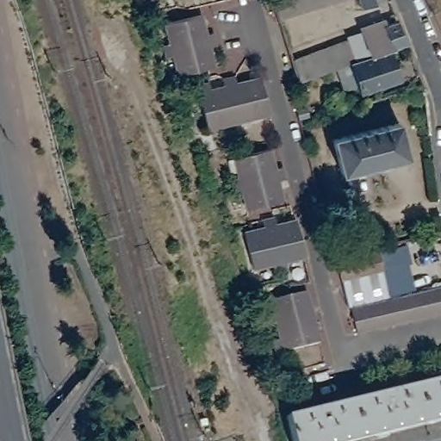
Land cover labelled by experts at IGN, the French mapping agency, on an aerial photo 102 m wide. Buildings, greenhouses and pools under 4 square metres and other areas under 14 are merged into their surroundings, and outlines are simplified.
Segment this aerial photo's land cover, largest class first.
<instances>
[{"label":"impervious surface","instance_id":"1","mask_svg":"<svg viewBox=\"0 0 441 441\"><path fill-rule=\"evenodd\" d=\"M33 138L29 136L26 127L16 57L12 50L9 19L3 9V0H0V217L5 220V226L14 239V248L12 255L7 257V264L12 269L14 279L19 281L16 300L19 301V312L26 317V326L29 327L26 345L28 355L36 367L34 391L38 393V400L47 405L43 441H79L74 434V415L88 394L91 388L107 372H114L115 377L124 386L131 389L134 407L140 413L146 429L153 441H165L164 431L160 425L150 415V408L141 393L140 384L136 382L133 369L129 367L124 355V348L122 345L117 346V332L110 322V307L107 301L103 300L102 286L96 281L84 252L83 236L76 227L69 233L64 219L52 207L50 198L43 195L38 188L33 162L36 150L31 146ZM69 234L78 248V260L102 322L105 336L103 345L98 362L91 372L86 369L78 370L76 357L69 353V348L78 346L83 339L79 336L78 327L67 326L62 320V315L55 314L47 305L48 298L59 295L64 289L67 270L62 265L53 262V258H57L55 250L60 248V243L67 239ZM283 0H239L238 7L226 9V0H207L196 3L191 9H172L169 12V22L186 21L191 17L202 16L203 22L208 26V34L217 31L220 40H226V48H215L217 64L210 67L207 72L208 79H212L210 88L224 86L220 76L236 78L238 81L257 78V81L264 83L267 95L265 98H272L270 102L276 117L270 122L281 136V143L274 150L255 155L229 160V171L233 174L238 176L243 203L229 202L227 208L233 217V227L243 231L260 229L264 227V220L270 222L276 215L277 222H286L291 220V212L298 210L301 224L308 236L314 234L317 227L326 222L329 212L338 208H348L346 189L350 183L343 176L341 167L336 164L315 167L310 162V158L300 145V126L303 121L300 114L293 109V102H289L288 91L293 90V86L300 81L295 72L296 60L345 43L350 36L360 33L363 28L382 21L388 24L400 22L403 34L412 36V40H408L410 57L400 65L401 74L407 79L419 78L424 86L427 133L432 143V162L438 183V198L441 200V26H432V12L427 10L422 0H386V3H381L377 7L363 9L357 0H348L326 9L289 17L283 24L279 16V5ZM410 269L417 279V288L413 289L412 296L431 293L432 289L441 288V236L434 239V250L429 252H422L417 243L410 241L408 245ZM295 270L289 274V279L298 281V286L276 288L274 284H267L265 289L274 291V296H277L300 291H305L310 296L315 314L320 315L317 327L319 331L324 332L319 341V360L307 363L303 367V372L310 374L308 382H314L312 398L300 403L283 401L276 407V408L281 412L283 422L296 410L441 376V369L408 370L407 374L401 376L394 374L372 382L365 381V372L374 367L391 365L394 360L420 362L427 351L441 353V317L357 336L355 329L346 327V319L350 317V310L353 307L348 303L341 272L327 270L324 260L319 257V252L314 250L298 262H293V265ZM0 441H33L0 291ZM365 441H441V422L394 432L388 438Z\"/></svg>","mask_w":441,"mask_h":441},{"label":"herbaceous vegetation","instance_id":"2","mask_svg":"<svg viewBox=\"0 0 441 441\"><path fill-rule=\"evenodd\" d=\"M3 9L9 19L12 50L16 57L26 127L29 136L33 138L31 146L36 150L33 162L38 188L43 195L50 198L52 207L64 219L69 233L76 227L72 212L76 203H84L86 210L90 214H96L102 226L107 222L103 219L102 208L91 189L90 174L84 169L83 152L79 146L72 150L76 155L74 162H65L64 158L59 157L57 138L50 124L48 100L41 93L40 83L34 81L38 67L45 64L50 65V69L59 76V60L52 48L48 47L47 38L41 41L40 47L31 45L26 24L22 22L19 0H3ZM88 21L103 22L105 19L119 16L133 22L141 16L152 17L157 7L169 12L172 9H191L196 3L207 0H81ZM427 10L432 12V26H441V0H422ZM155 60L141 62L140 78L145 81L148 88L157 90V81L153 76ZM107 72L103 74V84L109 95L110 109L117 124V131L121 134L129 179L141 205L140 214L143 217L146 238L150 239L155 252L169 258L165 265L169 267V272H165L169 283V296L172 298L186 295L189 288L198 291L195 272L191 269L189 260L202 255L208 258H214L215 252L222 255L231 243L224 231H220L217 214L219 203L207 200L196 188V169L191 153L188 152L181 157V165L189 176V198L198 200V207L189 208L200 246L195 252H186L184 248H179V241L172 238L171 227L176 222V215L164 186L160 183V174L155 167V158L150 153L145 129L134 121L133 115L127 114L129 110L134 109V105L127 98L126 86L117 79L119 71L109 62L105 64ZM308 88V100L315 109L312 114H300L303 121L300 126V145L310 158V162L315 167L336 164L338 153L334 143L338 140L369 133L381 127L394 126L396 122L407 131L412 164L388 171L370 172L360 176L358 181L350 183L346 189L348 208L355 210L357 207L369 205V219H376L384 231L391 227L400 248L408 245L410 241L412 227L417 222H432L438 215L441 219V200L438 198L436 202H431L425 196L419 136L417 127L408 121L407 107L403 103L391 105L389 102L377 103L365 117L348 114L329 124L326 129L315 127L314 133H308L305 126L308 122L315 121V115L320 114L327 98H331L334 93H346L355 98H362L363 95L357 91L345 90L343 84L336 81L324 84L322 78H312L305 83ZM191 131L195 134L196 140L203 141L212 153V171H219L220 179H227L233 174L229 171V160L224 152L227 146H243L246 140L257 141L253 148L255 155L274 150L281 143V136L270 122L257 119L245 122L243 127H227L220 134L219 141H215L212 136H207V117L200 115L198 124L191 127ZM67 270L64 289L59 295L48 298L47 305L55 314L62 315V320L67 326L78 327L79 336L83 339L86 348L95 346V320L91 317L90 305L71 264L65 262L62 265ZM264 288L262 277L253 276L248 270H243L238 277H234L233 283L229 284V295L222 301L227 315L231 314L233 305L243 307V296L246 295V291L260 293V289ZM319 341L295 346V350L303 367L307 363L319 360ZM289 350L277 348L265 355H248L245 346H239V360L246 365L248 376H253L255 370L264 369L267 363H277V360ZM212 362L207 360L205 353L189 369L198 377L210 372ZM100 384L105 388L103 393L112 398L119 394L124 386L115 377L114 372H107L91 388L95 389V386ZM96 410V401H91L88 394L74 415V434L79 441H95L102 434V425L100 419H93L90 415ZM215 419H202L205 441H258L257 415H252L250 410H234L233 415L226 417L222 410L210 407ZM117 441H153L146 429H134Z\"/></svg>","mask_w":441,"mask_h":441},{"label":"deciduous trees","instance_id":"3","mask_svg":"<svg viewBox=\"0 0 441 441\"><path fill-rule=\"evenodd\" d=\"M22 22L26 24L31 45L40 47L41 41L47 38L45 22L38 10V0H19ZM169 12L157 7L152 17L141 16L133 22L134 28L138 29L141 36V62L155 60L153 76L157 81V102L162 103V109L167 112L158 124L162 138L167 143V153L171 157L177 181L181 184L183 200L188 203L189 208L198 207V200L189 198V176L181 165V157L188 152L191 153L196 169V188L207 200L219 203L217 214L220 231H224L231 243H238V229L233 227V217L227 208L229 202L243 203L238 176L233 174L227 179H220L219 171H212V153L203 141L196 140L195 134L191 131V127L198 124L200 115L203 105L207 103L210 88L212 79H208L207 72L183 74L172 69L171 60H165L162 52L164 45H169L165 34L169 33ZM34 81L40 83L41 93L48 100L50 124L57 138L59 157L64 158L65 162H74L76 155L72 150L79 146V124L72 114L71 105L65 100L59 76L50 69V65L45 64L38 67ZM389 102L391 105L403 103L407 107L408 121L417 127L419 136L427 133L424 86L419 78L407 79L400 86L379 91L374 95H363L362 98H355L346 93H334L331 98H327L320 114L315 115V121L308 122L305 126L308 133H314L315 127L326 129L329 124L348 114L365 117L377 103ZM289 102H293V109L300 114H312L315 109L308 100V88L305 83L300 81L293 86V90L288 91ZM257 141L246 140L243 146H227L224 152L229 160L255 155L253 148ZM76 227L83 236L84 252L96 281L102 286L103 300L107 301L110 307V322L117 332L122 320L131 317L124 305V293L112 257L107 222L102 226L96 214H90L86 210L84 203H76L72 212ZM369 205L357 207L355 210L348 208H338L329 212L326 222L317 227L314 234L308 236L314 250L319 252V257L324 260L327 270L341 272H357L358 276L362 277L363 270L376 265L377 262H386V258L393 257V253L400 248L391 227L384 231L376 219H369ZM410 241L417 243L422 252H429L434 250V239L441 236V219L438 215L432 222H417L412 227ZM14 248V239L5 226V220L0 217V291L33 441H43L47 405L38 400V393L34 391L36 367L28 355L26 345L29 327L26 326V317L19 312V301L16 300L19 281L14 279L12 269L7 264V257L12 255ZM57 258H53V262L62 265L65 262L71 264L78 260V248L69 234L67 239L60 243V248L55 250ZM165 308L169 310L167 320L171 322V334L177 355L188 362L189 369L205 353L210 324L198 300V291L189 288L186 295L172 298L169 296L165 300ZM281 332L277 331V327H265L262 331L250 329L246 332L248 345L245 346L248 355H265L277 348V339ZM103 345L95 346L86 348L83 339L78 346L69 348V353L76 357L78 370L86 369L91 372L98 362ZM258 388L269 396V400L276 407L283 401L300 403L312 398L314 382H308L310 374L303 372V367L295 350H289L277 360V363H267L264 369L255 370L253 376ZM441 369V353L427 351L420 362L394 360L391 365L374 367L365 372V381L372 382L394 374L401 376L407 374L408 370ZM219 367L217 363L212 362L210 372L198 377L196 388L200 391V403L203 405L205 419H215L210 407L222 410L227 408L229 394L227 391L220 393L219 389L215 388ZM105 388L100 384L95 386V389L91 388L88 394L91 401H96V410L90 415L93 419H100L102 425V434L95 441H117L134 429H146L140 413L134 407L131 389L124 386L119 394L112 398L103 393Z\"/></svg>","mask_w":441,"mask_h":441},{"label":"building","instance_id":"4","mask_svg":"<svg viewBox=\"0 0 441 441\"><path fill-rule=\"evenodd\" d=\"M239 0H226V9L238 7ZM348 0H283L279 5V16L283 24L289 17L326 9ZM363 9L377 7L381 3H386V0H357ZM169 45H164L162 52L165 60H171L172 69L183 74L207 72L210 67L217 64L215 48H226V40H220L217 31L208 34V26L203 22L202 16L191 17L186 21L169 22V33L165 34ZM408 40H412V36L403 34L400 22L388 24L382 21L363 28L360 33L350 36L345 43L296 60L295 72L300 81L305 83L312 78H322L324 84L336 81L343 84L345 90L357 91L363 95H374L379 91L400 86L407 79L401 74L400 65L410 57ZM224 86L210 88L207 103L203 105L200 115L207 117V136H212L215 141H219L220 134L227 127H243L245 122L257 119L270 122L276 117L270 102L272 98H265L267 95L264 83L257 81V78L238 81L236 78L220 76ZM338 153L336 164L341 167L343 176L350 183L358 181L360 176L370 172L388 171L412 164L407 131L396 122L394 126L381 127L369 133L338 140L334 143ZM243 241L252 264L248 270L253 276L262 277L265 272H270L276 267L286 269L288 265H293V262H298L314 250L308 236L301 224L298 210L291 212V220L286 222H277L276 215L270 222L264 220V227L260 229L243 231ZM348 303L353 307L350 310V317L346 319V327L355 329L357 336L441 317V288L432 289L431 293L412 296L413 289L417 288V279L410 269L408 245L400 248L393 253V257L386 258V262H377L376 265L363 270L362 277L358 276L357 272H341ZM281 305V332L277 339V348L289 350H295V346L319 341L324 332L319 331L317 327L320 315L315 314L310 296L305 291H300L277 296ZM441 422V376L296 410L283 422L289 441H365L388 438L394 432Z\"/></svg>","mask_w":441,"mask_h":441},{"label":"pervious surface","instance_id":"5","mask_svg":"<svg viewBox=\"0 0 441 441\"><path fill-rule=\"evenodd\" d=\"M38 10L45 22L47 38L48 47L52 48L59 60V76L65 100L71 105L72 114L79 124V146L83 152L84 169L90 174L91 189L102 208L103 219L107 222L112 257L124 293V305L131 317L136 320L143 345L150 355V369L157 384L155 393L162 413L160 425L164 431L165 441H205L202 419H205L203 405L200 403V391L196 388L198 377L189 369L188 362L177 355L171 334V322L167 320L169 310L165 308V300L169 296V283L165 272H169V267L165 265L169 258L155 252L150 239L146 238L143 217L140 214L141 205L129 179L121 134L117 131V124L110 109L109 95L103 84V74L107 72L105 64L109 62L119 71L117 79L126 86L127 98L134 105V109L129 110L127 114L133 115L134 121L145 129L150 153L155 158V167L160 174V183L164 186L176 215V222L171 227L172 238L179 241V248H184L186 252H195L200 246L189 208L188 203L183 200L181 184L177 181L171 157L167 153V143L162 138L158 124L167 112L162 109V103L157 102V90L148 88L145 81L140 78L141 62V36L138 29L134 28L133 22L119 16L105 19L103 22L88 21L81 0H38ZM208 258L202 255L189 260L191 269L195 272L198 291V300L210 324L205 353L207 360L212 362L217 363L219 367L215 388L219 389L220 393L227 391L229 394L227 408L222 410L226 417L233 415L234 410H250L252 415H257L258 441H272L269 438V419L276 408V407L269 400V396L258 388L253 376H248L246 365L239 360V346L238 341L234 339L227 315L222 301L217 298L214 277L207 265Z\"/></svg>","mask_w":441,"mask_h":441},{"label":"brushwood","instance_id":"6","mask_svg":"<svg viewBox=\"0 0 441 441\"><path fill-rule=\"evenodd\" d=\"M425 196L431 202H436L438 198V183L432 162V143L427 133L419 136ZM238 243H231L222 255L215 252L214 258H208L207 265L214 277L217 298L222 301L229 295V284L233 283L234 277H238L243 270H248L252 264L243 241V231L238 229ZM90 305L91 317L95 320V346L103 345L105 336L102 322L78 260L71 264ZM295 270L293 265H288L286 269L276 267L270 272H265L262 277L264 288L260 289V293L265 289L267 284H274L276 288L298 286V281L289 279V274ZM122 345L124 348V355L129 367L133 369L136 382L140 384L141 393L150 408V415L160 425L162 413L155 393L157 384L150 369V355L143 345L136 320L131 317L122 320L117 332V346ZM269 438L272 441H289L283 422L281 412L276 408L269 419Z\"/></svg>","mask_w":441,"mask_h":441},{"label":"coniferous trees","instance_id":"7","mask_svg":"<svg viewBox=\"0 0 441 441\"><path fill-rule=\"evenodd\" d=\"M281 305L277 296H274V291L265 289L260 293L246 291V295L243 296V307L233 305L231 314L227 315L234 339L238 341L239 346H245L248 345L246 332L250 329L262 331L265 327H277V331L281 332Z\"/></svg>","mask_w":441,"mask_h":441}]
</instances>
